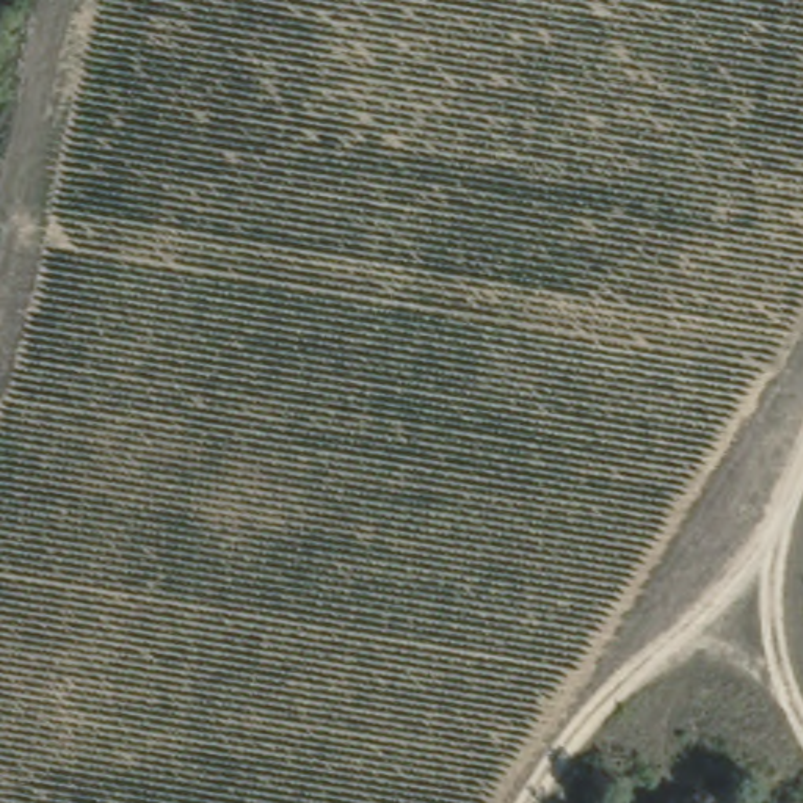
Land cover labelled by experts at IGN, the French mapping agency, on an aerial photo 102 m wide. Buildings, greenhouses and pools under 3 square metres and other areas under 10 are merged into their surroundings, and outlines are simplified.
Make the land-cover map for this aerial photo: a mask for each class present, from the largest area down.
<instances>
[{"label":"vineyard","instance_id":"1","mask_svg":"<svg viewBox=\"0 0 803 803\"><path fill-rule=\"evenodd\" d=\"M47 242L53 245V251L47 257L41 311L35 317H25L22 329L3 336L0 342V803H543L546 797L530 781V775L543 759L549 762L552 753L561 750V731L587 706L593 693L583 687V681L593 674L624 612L634 605L649 571L659 565L671 536L678 533L687 508L699 499L712 471L734 442L737 430L756 411L762 389L768 386V380H775L768 361L778 351L781 332L790 329L803 298V0H97V19L91 28L85 82L78 91V119L72 132L60 210L53 220H47Z\"/></svg>","mask_w":803,"mask_h":803},{"label":"herbaceous vegetation","instance_id":"2","mask_svg":"<svg viewBox=\"0 0 803 803\"><path fill-rule=\"evenodd\" d=\"M97 19V0H38L22 25L25 50L19 60V91H9V97H16L13 135L0 157V342L3 336L22 329L25 317H35L41 311L47 257L53 251V245L47 242V220H53L60 210L72 132L78 119V91L85 82L91 28ZM775 380H768V386L762 389L756 411L737 430L734 442L712 471L699 499L687 508L678 533L671 536L659 565L649 571L634 605L624 612L593 674L583 681V687L593 693L634 652L652 643L659 634H665L725 574V565L762 524L765 505L772 502V489L803 427V298L790 329L781 332L778 351L768 361ZM784 627L790 665L803 693V502L794 518L784 571ZM706 634H712L706 649H696L684 662H674L652 681H646L640 690H634L627 699H621L593 737L599 743H624L637 750L643 762L668 765L687 747L728 753L756 781L765 800L781 781L803 772V750L778 699L772 696L759 630V583H747L743 596L731 602V609L721 618L703 627Z\"/></svg>","mask_w":803,"mask_h":803},{"label":"pervious surface","instance_id":"3","mask_svg":"<svg viewBox=\"0 0 803 803\"><path fill-rule=\"evenodd\" d=\"M803 502V427L772 489V502L765 505L762 524L725 565V574L665 634H659L652 643L634 652L593 693L587 706L561 731V750L552 753L549 762L543 759L530 775V781L546 797L555 787L552 762L565 753H580L593 737L621 699H627L634 690H640L646 681H652L674 662H684L696 649H706L712 634H706L703 627L721 618L731 609V602L743 596L747 583H759V630L772 696L778 699L803 750V693L790 665L784 627V571L794 518Z\"/></svg>","mask_w":803,"mask_h":803},{"label":"coniferous trees","instance_id":"4","mask_svg":"<svg viewBox=\"0 0 803 803\"><path fill-rule=\"evenodd\" d=\"M555 787L546 797L543 803H803V772L781 781L765 800L756 781L728 753L687 747L668 765L643 762L637 750L624 743H599L593 737L580 753H565L552 762Z\"/></svg>","mask_w":803,"mask_h":803},{"label":"deciduous trees","instance_id":"5","mask_svg":"<svg viewBox=\"0 0 803 803\"><path fill-rule=\"evenodd\" d=\"M38 0H0V157L13 135L16 97H9V91H19V60L25 50L22 25Z\"/></svg>","mask_w":803,"mask_h":803}]
</instances>
